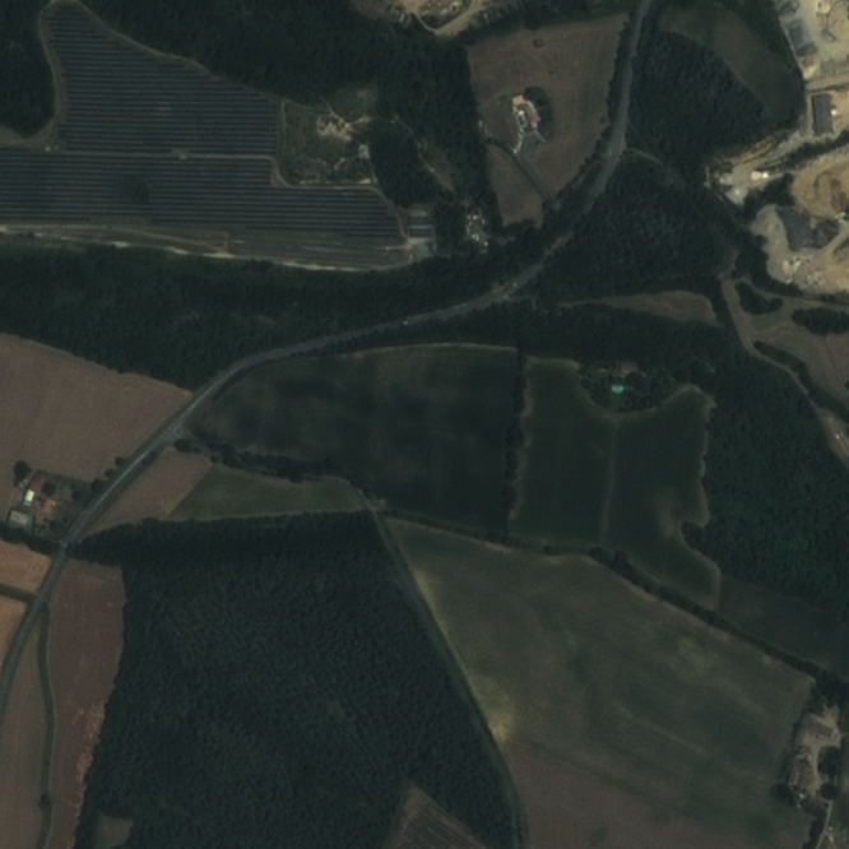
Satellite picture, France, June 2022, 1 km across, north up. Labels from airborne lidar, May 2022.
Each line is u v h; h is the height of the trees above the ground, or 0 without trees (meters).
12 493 0
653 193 14
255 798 21
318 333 11
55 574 0
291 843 19
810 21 0
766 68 0
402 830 0
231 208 0
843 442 0
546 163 0
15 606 0
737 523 5
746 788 0
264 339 8
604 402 12
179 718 10
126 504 0
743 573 7
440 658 10
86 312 13
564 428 0
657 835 0
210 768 19
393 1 0
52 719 0
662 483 0
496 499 0
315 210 0
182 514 0
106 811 17
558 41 0
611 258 16
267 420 0
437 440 0
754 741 0
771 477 6
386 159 15
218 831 20
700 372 17
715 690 0
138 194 6
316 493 0
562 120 0
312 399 0
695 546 13
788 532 11
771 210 0
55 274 8
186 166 0
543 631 0
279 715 21
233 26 8
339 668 19
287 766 19
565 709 0
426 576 0
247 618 17
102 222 0
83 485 0
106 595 0
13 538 17
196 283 10
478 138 6
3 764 0
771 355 16
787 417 7
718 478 7
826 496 12
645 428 0
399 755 19
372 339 18
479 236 0
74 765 0
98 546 17
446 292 13
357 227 0
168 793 18
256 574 18
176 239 0
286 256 0
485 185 9
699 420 0
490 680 0
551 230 9
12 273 15
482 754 23
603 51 0
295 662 17
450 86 10
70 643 0
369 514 15
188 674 18
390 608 19
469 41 6
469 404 0
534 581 0
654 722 0
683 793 0
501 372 0
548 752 0
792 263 0
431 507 0
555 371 0
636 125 7
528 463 0
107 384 0
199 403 0
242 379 10
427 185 20
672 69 11
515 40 0
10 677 0
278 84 11
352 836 21
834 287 0
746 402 14
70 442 0
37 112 6
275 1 16
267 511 0
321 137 0
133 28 14
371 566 18
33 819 0
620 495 0
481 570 0
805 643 0
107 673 0
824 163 0
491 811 22
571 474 0
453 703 22
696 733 0
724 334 6
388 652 22
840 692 8
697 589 0
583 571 0
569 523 0
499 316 16
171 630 17
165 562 9
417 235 0
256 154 0
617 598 0
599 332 14
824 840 0
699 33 0
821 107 0
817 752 0
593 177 6
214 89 0
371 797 21
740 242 8
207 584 18
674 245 15
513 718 0
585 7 14
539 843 0
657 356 17
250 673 20
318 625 20
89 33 0
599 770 0
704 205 8
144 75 0
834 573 7
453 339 10
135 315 12
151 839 14
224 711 9
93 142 0
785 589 17
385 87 13
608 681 0
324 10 15
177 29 7
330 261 0
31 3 10
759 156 0
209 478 0
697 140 12
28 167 0
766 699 0
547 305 10
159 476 0
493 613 0
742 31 0
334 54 9
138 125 0
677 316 0
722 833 0
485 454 0
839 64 0
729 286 0
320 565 17
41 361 0
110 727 16
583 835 0
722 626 22
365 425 0
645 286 11
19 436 0
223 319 11
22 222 0
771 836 0
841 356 0
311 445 0
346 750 19
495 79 0
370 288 9
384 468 0
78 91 0
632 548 0
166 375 11
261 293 10
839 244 0
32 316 12
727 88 9
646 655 0
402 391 0
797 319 14
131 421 0
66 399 0
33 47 17
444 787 20
